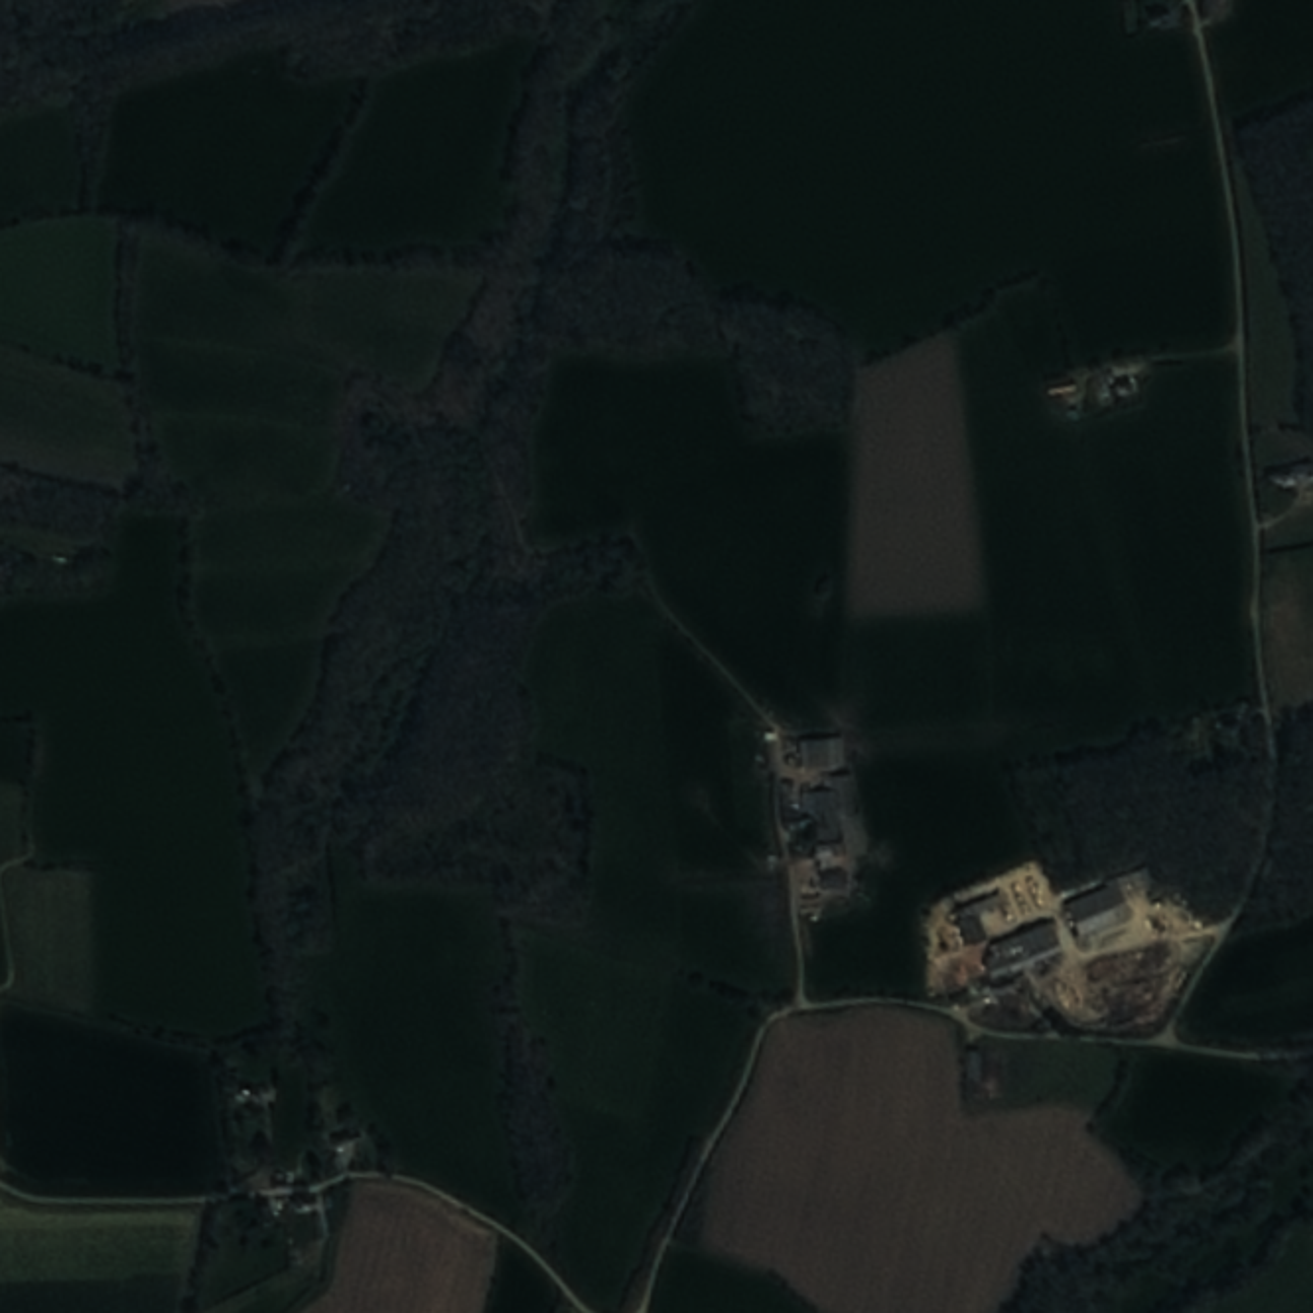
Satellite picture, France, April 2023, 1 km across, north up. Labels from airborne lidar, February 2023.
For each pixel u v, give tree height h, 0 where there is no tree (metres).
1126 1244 17
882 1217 0
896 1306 0
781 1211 0
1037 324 0
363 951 0
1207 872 17
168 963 0
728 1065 0
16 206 0
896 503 0
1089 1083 0
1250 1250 0
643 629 0
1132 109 0
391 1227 0
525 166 19
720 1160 0
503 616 17
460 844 15
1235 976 0
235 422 0
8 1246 0
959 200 0
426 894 0
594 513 0
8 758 0
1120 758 14
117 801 0
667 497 0
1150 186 0
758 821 0
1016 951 0
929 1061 0
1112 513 0
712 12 0
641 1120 0
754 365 17
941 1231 0
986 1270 0
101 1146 0
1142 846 14
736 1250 0
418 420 12
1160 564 0
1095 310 0
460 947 0
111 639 0
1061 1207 0
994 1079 0
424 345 0
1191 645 0
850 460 0
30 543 0
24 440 0
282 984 12
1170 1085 0
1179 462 0
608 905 0
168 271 0
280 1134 0
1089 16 0
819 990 0
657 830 0
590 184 20
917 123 0
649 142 0
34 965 0
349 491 0
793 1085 0
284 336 0
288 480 0
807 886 0
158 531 0
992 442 0
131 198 0
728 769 0
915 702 0
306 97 0
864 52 0
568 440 0
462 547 14
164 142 0
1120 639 0
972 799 0
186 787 0
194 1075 0
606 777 0
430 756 15
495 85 0
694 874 0
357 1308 0
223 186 0
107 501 14
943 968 0
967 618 0
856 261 0
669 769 0
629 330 20
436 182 0
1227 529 0
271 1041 13
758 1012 11
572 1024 0
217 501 0
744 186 0
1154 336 0
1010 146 0
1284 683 0
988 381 0
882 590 0
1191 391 0
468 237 0
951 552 0
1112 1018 0
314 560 0
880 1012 0
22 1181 0
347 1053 0
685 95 0
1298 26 0
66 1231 0
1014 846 0
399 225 0
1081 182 0
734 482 0
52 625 0
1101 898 0
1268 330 0
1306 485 0
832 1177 0
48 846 0
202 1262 15
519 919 0
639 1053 0
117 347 8
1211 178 0
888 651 0
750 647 0
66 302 0
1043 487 0
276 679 0
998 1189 0
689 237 0
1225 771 16
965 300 0
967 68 0
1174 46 0
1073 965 0
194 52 24
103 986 0
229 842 0
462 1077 0
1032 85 0
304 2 21
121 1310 0
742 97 0
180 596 11
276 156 0
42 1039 0
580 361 0
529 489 9
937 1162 0
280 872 11
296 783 7
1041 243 0
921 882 0
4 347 0
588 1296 0
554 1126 7
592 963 0
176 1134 0
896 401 0
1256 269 0
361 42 23
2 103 24
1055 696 0
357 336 0
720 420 0
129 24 0
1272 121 16
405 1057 0
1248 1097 0
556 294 25
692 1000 0
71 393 0
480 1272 0
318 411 0
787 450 0
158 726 0
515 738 14
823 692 0
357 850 17
